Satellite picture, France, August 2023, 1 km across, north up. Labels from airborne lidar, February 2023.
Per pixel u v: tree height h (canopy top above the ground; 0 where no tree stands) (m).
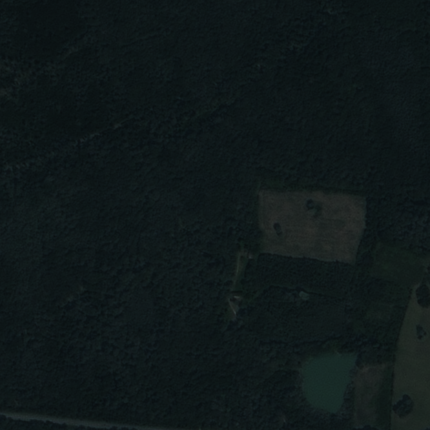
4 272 20
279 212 0
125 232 18
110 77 21
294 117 18
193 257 20
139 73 18
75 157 11
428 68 12
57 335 11
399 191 25
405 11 14
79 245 15
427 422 0
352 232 0
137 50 13
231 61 18
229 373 18
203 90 15
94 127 11
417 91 19
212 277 17
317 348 20
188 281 18
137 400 22
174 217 17
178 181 21
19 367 18
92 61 16
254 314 21
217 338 20
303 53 23
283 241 0
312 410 7
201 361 22
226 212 25
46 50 19
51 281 20
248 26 19
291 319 6
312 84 20
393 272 0
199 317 15
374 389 0
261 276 8
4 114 5
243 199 17
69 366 10
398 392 0
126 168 19
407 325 0
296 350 13
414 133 13
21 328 15
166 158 17
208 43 14
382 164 20
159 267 19
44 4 9
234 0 15
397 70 21
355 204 0
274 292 12
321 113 23
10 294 14
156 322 6
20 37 11
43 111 9
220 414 25
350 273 13
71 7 11
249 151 10
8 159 6
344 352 7
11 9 11
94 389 20
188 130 7
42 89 6
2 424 20
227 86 20
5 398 21
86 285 24
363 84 15
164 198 19
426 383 0
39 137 6
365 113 23
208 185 18
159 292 8
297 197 0
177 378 22
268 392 10
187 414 20
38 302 16
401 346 0
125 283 13
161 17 13
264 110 16
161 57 12
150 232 17
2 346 18
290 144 19
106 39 13
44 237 17
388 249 0
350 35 22
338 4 23
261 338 10
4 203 17
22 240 20
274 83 14
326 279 7
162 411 18
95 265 13
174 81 16
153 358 19
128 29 16
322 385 0
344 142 14
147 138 13
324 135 22
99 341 26
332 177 22
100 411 6
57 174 10
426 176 17
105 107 8
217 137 15
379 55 17
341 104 17
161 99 22
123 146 25
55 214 16
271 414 11
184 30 14
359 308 5
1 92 22
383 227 23
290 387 6
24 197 22
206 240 21
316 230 0
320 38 21
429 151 17
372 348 24
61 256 15
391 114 16
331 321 8
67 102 7
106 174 18
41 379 18
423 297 8
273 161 16
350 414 6
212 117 13
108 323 6
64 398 20
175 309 14
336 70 21
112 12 14
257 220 7
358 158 17
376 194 26
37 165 15
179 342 20
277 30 17
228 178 14
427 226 30
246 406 21
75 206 11
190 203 22
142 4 17
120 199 16
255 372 27
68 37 8
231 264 19
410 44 20
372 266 12
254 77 15
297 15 11
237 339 20
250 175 21
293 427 18
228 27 19
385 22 19
